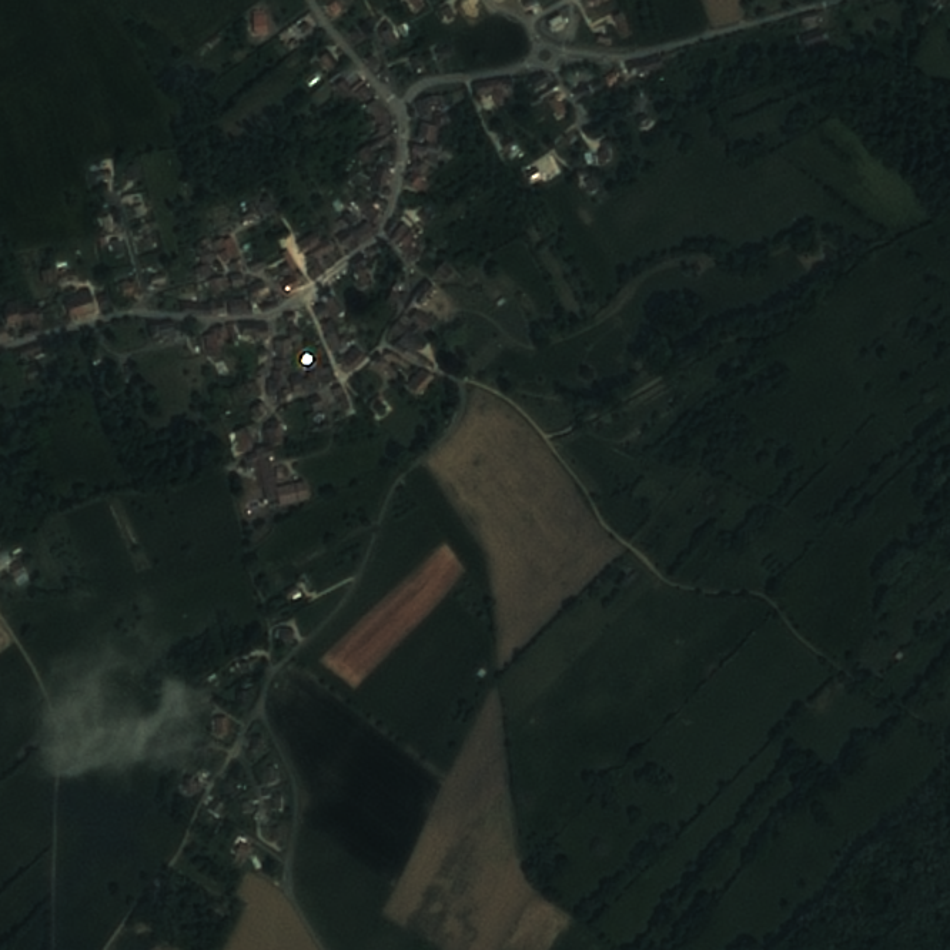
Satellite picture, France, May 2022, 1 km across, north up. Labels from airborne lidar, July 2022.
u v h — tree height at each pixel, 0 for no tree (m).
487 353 0
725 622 0
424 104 0
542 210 6
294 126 20
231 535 0
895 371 0
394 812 0
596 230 0
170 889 18
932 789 16
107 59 0
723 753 0
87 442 0
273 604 6
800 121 12
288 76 0
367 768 0
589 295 14
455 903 0
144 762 0
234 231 0
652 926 11
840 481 0
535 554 0
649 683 0
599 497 7
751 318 19
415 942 0
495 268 14
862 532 0
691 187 0
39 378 10
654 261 9
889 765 0
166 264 13
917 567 21
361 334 5
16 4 0
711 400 6
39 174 0
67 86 0
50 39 0
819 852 0
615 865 0
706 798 0
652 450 7
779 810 11
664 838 20
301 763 0
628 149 15
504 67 0
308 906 0
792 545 0
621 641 0
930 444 16
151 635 0
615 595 9
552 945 0
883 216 0
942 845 17
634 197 0
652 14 10
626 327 0
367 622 0
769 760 0
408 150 0
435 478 0
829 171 0
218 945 10
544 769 0
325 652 0
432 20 0
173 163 0
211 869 15
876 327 0
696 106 12
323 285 0
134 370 15
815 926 28
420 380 0
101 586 0
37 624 0
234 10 0
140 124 0
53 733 10
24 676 0
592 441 0
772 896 0
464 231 0
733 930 0
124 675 0
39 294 0
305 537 0
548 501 0
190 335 12
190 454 13
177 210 7
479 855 0
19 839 0
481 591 0
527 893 0
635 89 9
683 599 0
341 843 0
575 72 12
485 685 6
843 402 0
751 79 16
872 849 21
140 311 0
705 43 9
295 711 0
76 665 0
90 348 17
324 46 13
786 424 0
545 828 0
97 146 0
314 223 0
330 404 0
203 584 0
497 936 0
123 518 0
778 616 11
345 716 0
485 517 0
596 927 8
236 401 0
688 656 0
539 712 0
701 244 11
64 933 0
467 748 0
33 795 0
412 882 0
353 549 6
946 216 14
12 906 0
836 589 0
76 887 0
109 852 0
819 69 13
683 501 0
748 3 11
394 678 0
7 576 12
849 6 8
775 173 0
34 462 17
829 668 6
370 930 0
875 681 14
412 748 0
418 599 0
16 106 0
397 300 0
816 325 0
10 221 0
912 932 20
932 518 9
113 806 0
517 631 0
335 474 0
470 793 0
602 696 0
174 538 0
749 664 0
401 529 0
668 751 0
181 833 0
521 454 0
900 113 7
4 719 0
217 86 20
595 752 0
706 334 19
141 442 26
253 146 19
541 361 0
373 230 0
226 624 15
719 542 7
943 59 0
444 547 0
